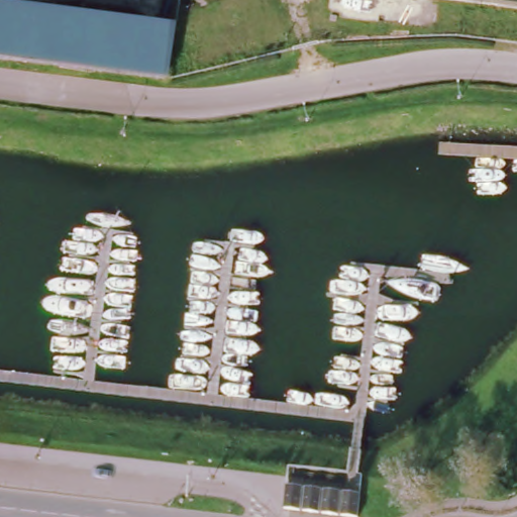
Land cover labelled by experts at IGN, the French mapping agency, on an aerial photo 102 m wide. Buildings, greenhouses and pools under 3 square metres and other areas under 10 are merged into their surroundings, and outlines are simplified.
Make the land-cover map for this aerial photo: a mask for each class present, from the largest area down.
<instances>
[{"label":"water","instance_id":"1","mask_svg":"<svg viewBox=\"0 0 517 517\"><path fill-rule=\"evenodd\" d=\"M517 145V133L489 129L460 133L436 131L366 141L303 156L184 170L93 166L57 160L53 156H42L34 151L0 149V370L50 376L53 361L63 370L83 368V359L87 357V351L83 349L89 333H77V327H91V319L87 317L93 313V307L87 303V291L89 281H97V275L93 273L95 261L99 259V252H95V240L101 238V234L93 228L95 224L125 226L127 234L115 236V242L133 244L137 240V250H113L115 265L109 269L111 279L107 281L109 311H105V319L99 325V339L101 349L115 351V355L99 357L101 368L95 370V378L99 382L153 388H166L168 382L178 388H204V372L208 370V366L196 361V355H206L208 347L198 333H206L208 329L216 327V313H212V305H204V299L212 297L216 277H208L206 271L216 269L218 261H226V252H220V246L214 240H226L228 232L234 230L240 244L232 252V269L228 281L232 301V331L228 333L230 341L226 343L222 353V376L226 378L222 392L230 398L244 396L248 392L252 398L275 402H281L289 396L297 406H345V396L349 392V386L355 382L357 370V364L351 357L359 355L361 351V345L357 343L361 333L357 331V313L361 311V305L351 303L349 299L353 293L364 291L366 271L361 269V265H384L380 293L388 297L394 305H384L378 309V329H374L370 341L378 351V357L374 359V368H378V372L376 376H372V398L364 400L370 410L364 420L361 450H376L380 454L384 450L400 438H404L406 434L414 432L418 426H428L430 422L438 420V416L452 408L467 390H471L479 380L487 376V372L517 341V162L513 164V160L503 162L493 158H481L475 162L473 158L462 156H440L438 145Z\"/></svg>","mask_w":517,"mask_h":517},{"label":"herbaceous vegetation","instance_id":"2","mask_svg":"<svg viewBox=\"0 0 517 517\"><path fill-rule=\"evenodd\" d=\"M497 38L517 40V10L438 2L436 22L414 26L404 22H388L384 18L374 22L351 20L345 18L339 10H331L329 0H194L192 10L188 14L182 53L176 61V67H170L166 75H147L0 55V69L50 73L73 79L147 85L158 89L216 87L287 75L293 69H297L301 55L289 53L285 48L311 40H321L317 44V53L321 57L337 65H345L430 48H493ZM489 129L517 133V83L481 79L424 81L380 91L309 101L305 105L301 103L256 113L228 115L218 119H162L133 115L117 117L113 113L91 109L0 99V149L34 151L42 156H53L57 160L93 166L184 170L303 156L366 141L436 131L460 133ZM460 428H469L471 432H499L505 436V442L509 444L507 467L497 471L495 477L505 479V489L511 495L517 493V341L487 372V376L479 380L471 390H467L452 408L438 416V420L430 422L428 426H418L414 432L406 434L404 438H400L384 450L388 456L400 458V454L404 452H414V440L424 444V448L428 450V458L422 469L434 473L440 479H446L440 487V493L446 499H464L458 475L452 473L448 462L440 458L442 450L456 448V434ZM353 430L349 422L0 382V442L145 458L160 462H194L198 467H216L265 475H289L291 471L345 475V456ZM380 454L376 450H361L359 471L370 477V483L366 505L357 513L359 517H404L400 507L388 503L390 493L386 491V479L378 471ZM174 509L210 511L222 515L242 513V505L230 499L178 495L172 499Z\"/></svg>","mask_w":517,"mask_h":517},{"label":"impervious surface","instance_id":"3","mask_svg":"<svg viewBox=\"0 0 517 517\"><path fill-rule=\"evenodd\" d=\"M194 0H176L174 14L168 18L176 24L170 67H176V61L182 53L188 14L192 10ZM331 10H339L345 18L351 20L374 22L384 18L388 22H404L414 26L436 22L438 2V0H329ZM321 40H311L285 48L289 53L301 55L297 69H293L287 75L216 87L158 89L147 85L73 79L50 73L0 69V99L91 109L113 113L117 117L133 115L162 119H218L228 115L256 113L301 103L305 105L309 101L380 91L424 81L481 79L517 83V40L497 38L493 48H430L345 65H337L321 57L317 53V44ZM440 156H462L473 158L475 162L481 158H493L503 162L513 160V164L517 162V145H438ZM101 234V238L95 240V252H99V259L95 261L93 273L97 275V281H89L87 291V303L93 307V313L87 317L91 319V327H77V333H89L83 349L87 351V357L83 359V368L63 370L53 361L50 376L0 370V382L349 422L353 430L345 456V475L347 479H351L359 471L361 450L364 420L370 410L364 400L372 398V376H376L378 372V368H374V359L378 357V351L370 341L374 329H378V309L384 305H394L388 297L380 293L384 265H361V269L366 271L364 291L353 293L349 299L351 303L361 305V311L357 313V331L361 333L357 343L361 345V351L359 355L351 357L357 364V370L355 382L349 386V392L345 396V406H297L289 396L281 402H275L252 398L248 392L244 396L230 398L222 392L226 378L222 376V353L226 343L230 341L228 333L232 331V301L228 281L232 269V252L240 244L234 230L228 232L226 240H214L220 246V252H226V261H218L216 269L206 271L208 277H216L212 297L204 299V305H212V313H216V327L208 329L206 333H198L208 347L206 355H196V361L208 366V370L204 372V388H178L168 382L166 388H153L99 382L95 378V370L101 368L99 357L115 355V351L101 349L99 339V325L105 319V311H109L107 281L111 279L109 269L115 265L113 250H137V240L133 244L115 242V236L127 234L125 226L95 224L93 228ZM289 483V475H265L216 467H198L194 462H160L145 458L0 442V517H359L357 513L287 505L285 489ZM178 495L230 499L242 505V513L222 515L210 511L174 509L172 499ZM442 517H517V493L511 495L507 499L497 501L464 499H450L446 503V511Z\"/></svg>","mask_w":517,"mask_h":517},{"label":"building","instance_id":"4","mask_svg":"<svg viewBox=\"0 0 517 517\"><path fill-rule=\"evenodd\" d=\"M176 0H0V55L147 75H166L170 67L176 24L168 18L174 14ZM438 2L517 10V0H438ZM370 483V477L359 471L351 479H347L345 475L291 471L289 475V483L285 489L287 505L357 513L366 505Z\"/></svg>","mask_w":517,"mask_h":517},{"label":"deciduous trees","instance_id":"5","mask_svg":"<svg viewBox=\"0 0 517 517\"><path fill-rule=\"evenodd\" d=\"M440 458L448 462L452 473L458 475L464 499L497 501L507 499L511 495L505 489V479L495 477L497 471L507 467L509 444L505 442V436L499 432H471L469 428H460L456 434V448L442 450ZM428 458V450L424 448V444L414 440V452H404L400 454V458L388 456L384 450L380 454L378 471L386 479V491L390 493L388 503L400 507L404 517H442L446 511V503L450 499H446L440 493V487L446 479H440L434 473L422 469Z\"/></svg>","mask_w":517,"mask_h":517}]
</instances>
